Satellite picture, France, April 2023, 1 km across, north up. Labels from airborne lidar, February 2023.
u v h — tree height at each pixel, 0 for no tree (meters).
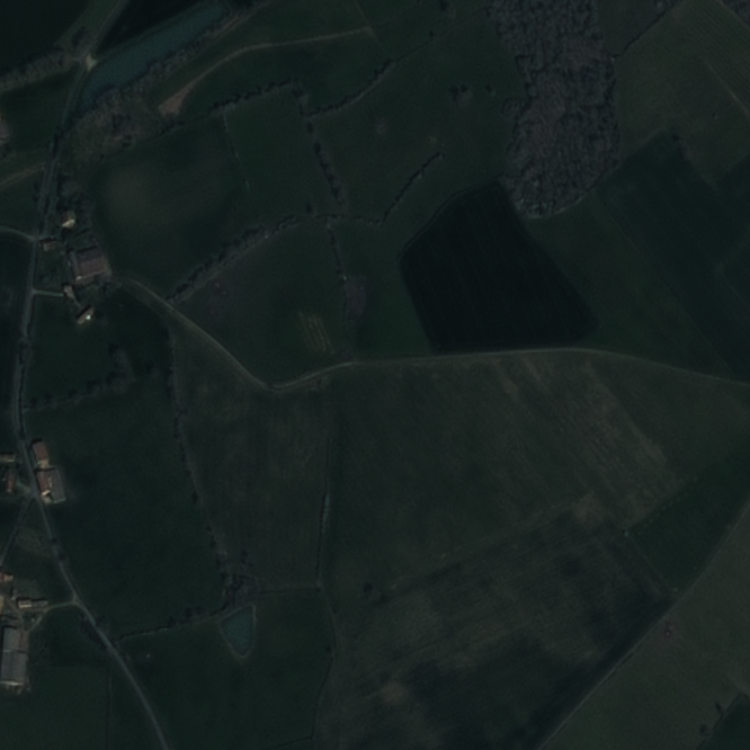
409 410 0
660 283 0
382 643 0
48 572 0
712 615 0
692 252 0
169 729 0
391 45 0
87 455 0
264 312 0
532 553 0
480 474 0
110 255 0
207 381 0
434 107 0
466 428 0
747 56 0
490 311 0
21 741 0
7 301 0
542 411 0
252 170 0
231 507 0
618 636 0
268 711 0
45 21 0
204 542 0
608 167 7
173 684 0
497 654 0
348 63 0
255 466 0
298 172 0
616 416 0
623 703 0
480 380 0
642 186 0
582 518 0
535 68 14
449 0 0
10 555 0
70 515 0
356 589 0
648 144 0
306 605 0
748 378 0
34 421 0
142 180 0
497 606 0
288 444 0
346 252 0
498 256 0
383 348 0
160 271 0
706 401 0
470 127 0
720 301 0
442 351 0
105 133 0
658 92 0
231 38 0
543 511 0
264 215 0
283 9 0
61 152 13
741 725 0
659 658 0
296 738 0
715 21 0
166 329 0
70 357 0
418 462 0
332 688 0
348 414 0
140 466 0
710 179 0
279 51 0
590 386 0
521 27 9
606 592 0
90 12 0
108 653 7
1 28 0
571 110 24
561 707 0
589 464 0
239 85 0
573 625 0
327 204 0
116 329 0
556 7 16
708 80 0
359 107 0
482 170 0
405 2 0
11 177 0
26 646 0
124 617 0
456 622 0
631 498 0
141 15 0
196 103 0
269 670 0
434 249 0
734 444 0
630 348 0
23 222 0
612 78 11
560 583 0
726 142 0
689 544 0
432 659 0
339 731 0
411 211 0
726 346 0
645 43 0
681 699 0
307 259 0
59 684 0
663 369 0
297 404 0
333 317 0
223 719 0
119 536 0
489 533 0
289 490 0
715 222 0
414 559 0
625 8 0
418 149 0
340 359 0
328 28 0
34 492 0
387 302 0
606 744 0
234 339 0
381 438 0
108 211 0
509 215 0
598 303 0
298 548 0
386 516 0
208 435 0
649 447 0
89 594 0
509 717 0
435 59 0
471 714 0
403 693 0
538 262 0
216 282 0
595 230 0
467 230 0
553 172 21
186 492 0
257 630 0
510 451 0
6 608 0
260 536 0
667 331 0
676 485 0
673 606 0
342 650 0
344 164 0
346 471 0
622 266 0
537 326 0
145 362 0
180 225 0
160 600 0
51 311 0
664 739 0
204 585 0
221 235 0
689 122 0
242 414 0
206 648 0
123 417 0
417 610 0
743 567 0
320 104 0
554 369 0
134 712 0
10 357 0
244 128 0
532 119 17
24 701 0
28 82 29
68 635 0
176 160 0
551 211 6
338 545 0
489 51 0
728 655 0
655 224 0
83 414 0
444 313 0
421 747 0
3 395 0
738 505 0
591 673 0
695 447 0
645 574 0
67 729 0
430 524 0
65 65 30
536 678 0
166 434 0
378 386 0
